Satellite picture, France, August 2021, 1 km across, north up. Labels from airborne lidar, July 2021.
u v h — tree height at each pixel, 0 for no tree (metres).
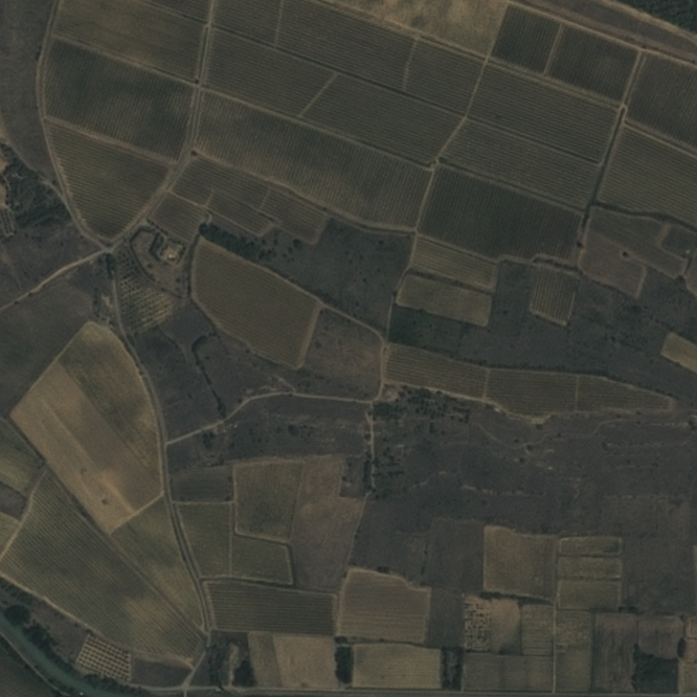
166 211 0
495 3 0
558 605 0
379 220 0
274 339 0
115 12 0
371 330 0
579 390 0
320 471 0
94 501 0
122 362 0
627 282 0
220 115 0
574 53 0
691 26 10
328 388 0
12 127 0
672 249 0
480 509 0
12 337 0
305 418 0
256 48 0
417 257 0
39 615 0
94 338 0
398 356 0
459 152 0
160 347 0
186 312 0
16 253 0
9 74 0
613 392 0
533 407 0
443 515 6
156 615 0
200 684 0
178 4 0
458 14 0
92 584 0
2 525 0
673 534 0
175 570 0
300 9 0
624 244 0
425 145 0
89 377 0
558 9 0
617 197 0
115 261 13
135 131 0
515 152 0
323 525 0
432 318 0
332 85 0
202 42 0
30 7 0
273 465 0
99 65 0
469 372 0
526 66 0
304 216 0
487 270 0
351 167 0
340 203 0
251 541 0
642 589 0
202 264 0
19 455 0
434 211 0
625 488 0
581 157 0
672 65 0
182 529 0
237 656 0
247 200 0
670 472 0
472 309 0
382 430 0
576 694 0
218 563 0
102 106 0
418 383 0
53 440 0
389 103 0
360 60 0
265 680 0
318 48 0
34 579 0
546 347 0
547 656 0
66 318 0
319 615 0
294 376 0
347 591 0
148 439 0
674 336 0
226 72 0
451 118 0
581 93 0
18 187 7
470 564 0
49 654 12
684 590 0
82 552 0
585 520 0
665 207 0
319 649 0
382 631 0
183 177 0
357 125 0
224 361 0
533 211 0
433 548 0
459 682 11
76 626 5
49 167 0
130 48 0
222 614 0
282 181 0
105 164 0
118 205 0
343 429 0
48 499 0
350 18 0
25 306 0
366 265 0
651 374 0
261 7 0
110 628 0
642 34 0
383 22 0
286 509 0
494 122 0
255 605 0
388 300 0
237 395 0
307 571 0
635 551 0
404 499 0
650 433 0
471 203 0
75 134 0
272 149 0
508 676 0
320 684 0
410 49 0
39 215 7
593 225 0
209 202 0
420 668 0
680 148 0
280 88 0
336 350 0
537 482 0
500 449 0
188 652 0
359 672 0
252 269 0
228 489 0
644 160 0
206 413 0
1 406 0
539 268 0
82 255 0
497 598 11
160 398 0
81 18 0
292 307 0
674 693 0
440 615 0
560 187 0
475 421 0
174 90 0
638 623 0
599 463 0
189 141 0
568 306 0
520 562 0
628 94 0
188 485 0
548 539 0
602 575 0
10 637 0
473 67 0
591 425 0
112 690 15
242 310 0
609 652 0
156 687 0
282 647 0
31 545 0
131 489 0
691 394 0
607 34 0
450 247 0
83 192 0
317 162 0
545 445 0
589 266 0
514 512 0
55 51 0
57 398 0
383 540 0
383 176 0
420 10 0
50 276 0
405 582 0
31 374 0
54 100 0
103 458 0
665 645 0
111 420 0
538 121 0
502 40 0
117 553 0
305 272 0
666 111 0
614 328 7
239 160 0
